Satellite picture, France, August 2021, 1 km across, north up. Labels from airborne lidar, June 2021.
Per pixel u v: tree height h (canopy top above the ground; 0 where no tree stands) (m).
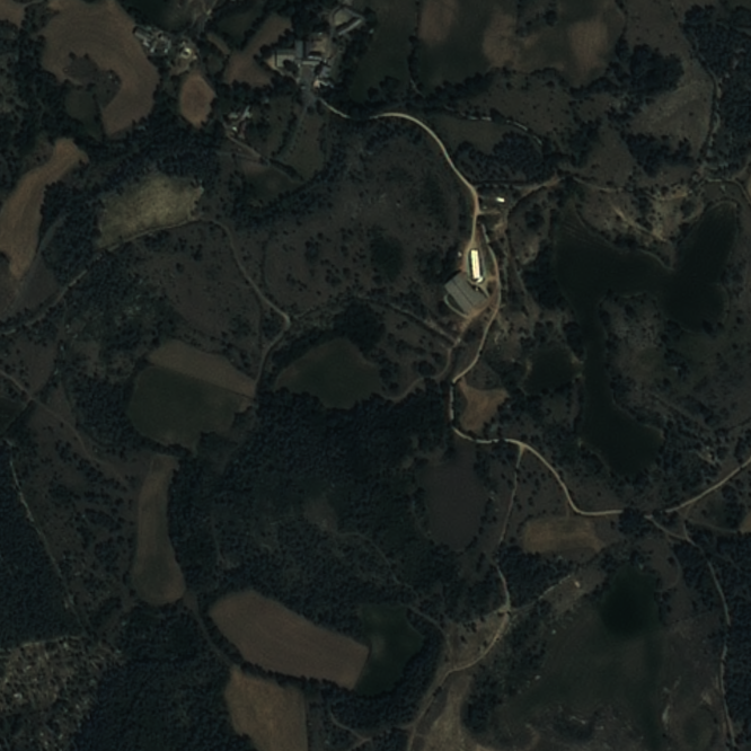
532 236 0
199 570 13
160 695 7
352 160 0
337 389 0
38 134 13
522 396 11
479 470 12
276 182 0
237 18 0
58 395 0
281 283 0
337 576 8
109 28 0
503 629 0
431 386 10
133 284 7
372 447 15
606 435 0
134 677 11
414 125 6
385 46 0
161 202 0
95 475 11
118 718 9
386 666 0
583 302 0
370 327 16
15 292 0
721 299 0
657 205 0
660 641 0
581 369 0
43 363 0
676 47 0
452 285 0
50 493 5
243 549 7
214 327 0
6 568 12
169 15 0
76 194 12
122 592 0
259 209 6
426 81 0
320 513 0
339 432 10
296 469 8
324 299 0
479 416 0
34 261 0
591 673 0
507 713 0
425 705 0
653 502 0
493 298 0
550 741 0
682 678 0
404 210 0
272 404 11
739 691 9
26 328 9
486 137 0
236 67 0
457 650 0
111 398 13
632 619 0
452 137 0
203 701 16
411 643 0
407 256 0
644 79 16
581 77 0
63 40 0
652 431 0
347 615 8
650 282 0
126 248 10
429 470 0
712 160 8
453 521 0
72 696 6
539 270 13
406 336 0
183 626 5
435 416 11
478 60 0
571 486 0
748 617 7
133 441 10
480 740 0
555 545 0
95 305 11
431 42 0
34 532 14
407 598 11
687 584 8
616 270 0
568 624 0
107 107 0
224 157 0
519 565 12
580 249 0
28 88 8
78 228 12
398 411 12
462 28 0
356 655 0
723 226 0
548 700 0
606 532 0
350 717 9
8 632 10
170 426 0
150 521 0
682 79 0
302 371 0
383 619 0
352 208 0
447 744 0
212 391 0
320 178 7
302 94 8
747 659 7
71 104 0
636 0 0
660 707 0
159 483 0
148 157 15
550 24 9
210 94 0
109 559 9
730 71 10
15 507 12
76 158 0
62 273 9
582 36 0
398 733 8
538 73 6
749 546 11
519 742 0
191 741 12
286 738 0
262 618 0
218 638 9
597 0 0
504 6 0
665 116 0
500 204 0
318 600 16
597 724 0
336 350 0
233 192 8
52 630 13
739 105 12
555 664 0
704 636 0
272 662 0
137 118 0
